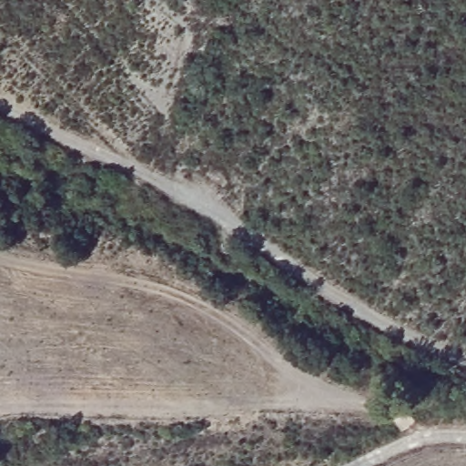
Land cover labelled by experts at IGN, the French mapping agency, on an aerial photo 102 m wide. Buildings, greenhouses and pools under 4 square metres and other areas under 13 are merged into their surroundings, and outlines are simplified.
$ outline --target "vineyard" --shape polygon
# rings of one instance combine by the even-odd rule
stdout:
[[[144,255],[138,248],[126,248],[120,238],[104,237],[98,238],[91,257],[69,268],[58,262],[40,258],[15,257],[9,249],[0,251],[0,420],[15,419],[22,415],[62,419],[82,413],[84,419],[91,420],[96,426],[137,426],[140,422],[173,424],[184,422],[187,417],[195,417],[208,420],[208,428],[213,433],[244,430],[248,424],[257,422],[260,410],[268,410],[268,419],[286,422],[293,419],[302,424],[308,417],[315,420],[326,419],[329,410],[366,411],[366,400],[362,399],[359,391],[329,380],[324,373],[315,377],[311,373],[295,368],[282,357],[277,348],[277,340],[266,335],[260,322],[255,324],[244,319],[240,315],[240,309],[233,302],[220,309],[215,308],[209,300],[202,299],[195,280],[180,279],[177,266],[171,264],[167,257]]]
[[[466,444],[422,444],[417,448],[391,455],[386,461],[377,462],[373,466],[466,466]]]

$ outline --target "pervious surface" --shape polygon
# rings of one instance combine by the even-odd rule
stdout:
[[[430,344],[413,342],[419,331],[411,329],[410,324],[395,320],[386,313],[379,313],[377,309],[370,308],[359,297],[351,295],[340,286],[335,286],[333,282],[322,282],[319,279],[319,269],[308,268],[302,275],[308,280],[304,289],[309,289],[313,299],[319,300],[319,308],[315,309],[317,313],[324,313],[328,309],[333,315],[346,317],[349,326],[366,329],[366,335],[377,333],[380,337],[390,340],[393,346],[413,349],[415,353],[420,353],[430,360],[441,360],[442,364],[451,368],[459,362],[466,366],[466,357],[462,357],[461,348],[455,349],[453,353],[450,346],[444,346],[442,340],[435,344],[435,348],[431,348]]]
[[[299,264],[300,258],[284,253],[273,242],[264,242],[262,249],[271,253],[275,260],[286,260],[291,266]]]
[[[339,466],[373,466],[377,462],[386,461],[391,455],[417,448],[422,444],[466,444],[466,424],[461,420],[455,420],[450,426],[420,426],[419,430],[408,437],[395,439]]]
[[[217,193],[215,187],[208,186],[200,175],[193,175],[191,180],[186,180],[182,173],[166,175],[155,169],[153,164],[138,162],[137,158],[131,155],[129,147],[122,142],[122,138],[113,133],[107,124],[96,127],[95,135],[89,138],[80,137],[75,131],[62,129],[60,118],[47,115],[44,109],[33,106],[33,102],[16,102],[16,96],[11,95],[9,91],[0,91],[0,120],[11,126],[22,127],[25,133],[36,138],[38,146],[35,151],[46,153],[47,146],[51,146],[62,151],[69,160],[78,160],[82,157],[86,162],[98,160],[106,164],[133,167],[135,184],[153,184],[178,204],[184,204],[187,208],[195,209],[200,215],[211,218],[218,228],[228,231],[229,235],[233,233],[233,229],[242,226],[242,218],[231,213],[231,209],[222,200],[222,195]]]

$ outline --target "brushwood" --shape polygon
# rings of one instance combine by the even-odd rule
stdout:
[[[169,442],[195,439],[195,431],[208,428],[208,420],[195,417],[187,417],[184,422],[173,424],[140,422],[137,426],[96,426],[91,420],[84,419],[82,413],[62,419],[22,415],[15,419],[0,420],[0,466],[120,466],[118,459],[106,461],[104,457],[96,455],[95,450],[98,448],[100,437],[118,437],[124,448],[131,448],[133,444],[144,442],[149,437],[162,437]]]
[[[442,340],[444,346],[450,346],[453,353],[455,349],[461,348],[462,357],[466,357],[466,0],[191,0],[195,4],[195,9],[191,11],[189,18],[186,18],[186,22],[191,25],[193,33],[191,53],[187,53],[184,66],[173,67],[169,73],[166,89],[175,89],[177,93],[173,106],[162,115],[158,113],[157,106],[151,104],[146,93],[140,91],[129,80],[129,76],[138,71],[140,78],[146,80],[147,75],[158,73],[162,69],[162,62],[166,60],[166,55],[155,55],[157,33],[147,31],[146,25],[140,24],[140,18],[147,16],[144,0],[0,0],[0,91],[9,91],[11,95],[16,96],[16,102],[33,102],[33,106],[44,109],[47,115],[60,118],[62,129],[75,131],[80,137],[89,138],[95,135],[96,127],[107,124],[113,133],[122,138],[122,142],[129,147],[131,155],[137,158],[138,162],[153,164],[155,169],[166,175],[182,173],[186,180],[191,180],[193,175],[200,175],[208,186],[215,187],[217,193],[222,195],[222,200],[231,209],[231,213],[242,218],[242,226],[233,229],[233,233],[229,235],[228,231],[218,228],[211,218],[200,215],[195,209],[187,208],[184,204],[178,204],[153,184],[135,184],[133,167],[106,164],[98,160],[86,162],[82,157],[78,160],[69,160],[62,151],[51,146],[47,146],[46,153],[35,151],[38,146],[36,138],[25,133],[22,127],[11,126],[0,120],[0,251],[9,249],[15,257],[40,258],[58,262],[69,268],[91,257],[98,238],[104,237],[120,238],[126,248],[138,248],[144,255],[167,257],[171,264],[177,266],[180,279],[195,280],[202,299],[209,300],[215,308],[220,309],[233,302],[240,309],[240,315],[244,319],[255,324],[260,322],[266,335],[277,340],[277,348],[282,357],[295,368],[311,373],[315,377],[324,373],[329,380],[359,391],[362,399],[366,400],[366,411],[329,410],[326,419],[315,420],[308,417],[302,424],[293,419],[286,422],[284,439],[293,442],[293,446],[299,446],[302,459],[311,459],[309,466],[339,466],[395,439],[408,437],[419,430],[420,426],[450,426],[455,420],[461,420],[466,424],[466,366],[459,362],[451,368],[442,364],[441,360],[430,360],[420,353],[415,353],[413,349],[393,346],[390,340],[380,337],[377,333],[366,335],[366,329],[349,326],[346,317],[333,315],[328,309],[324,313],[317,313],[315,309],[319,308],[319,300],[313,299],[309,289],[304,289],[308,280],[302,275],[308,268],[319,269],[319,279],[322,282],[333,282],[335,286],[340,286],[351,295],[359,297],[370,308],[377,309],[379,313],[386,313],[395,320],[410,324],[411,329],[419,331],[413,342],[430,344],[431,348],[435,348],[435,344]],[[284,253],[300,258],[299,264],[291,266],[286,260],[275,260],[271,253],[262,249],[264,242],[273,242]]]

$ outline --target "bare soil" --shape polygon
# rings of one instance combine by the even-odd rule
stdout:
[[[129,80],[140,91],[146,93],[151,104],[157,106],[158,113],[162,115],[173,106],[177,93],[175,89],[166,89],[169,73],[173,67],[184,66],[187,53],[191,53],[193,33],[191,25],[186,22],[186,18],[189,18],[191,11],[195,9],[195,4],[191,0],[144,0],[147,16],[140,18],[140,24],[146,25],[147,31],[157,33],[155,55],[166,55],[166,60],[162,62],[162,69],[158,73],[147,75],[146,80],[140,78],[138,71],[129,76]]]

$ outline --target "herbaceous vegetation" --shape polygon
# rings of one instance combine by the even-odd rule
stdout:
[[[96,455],[104,457],[106,461],[118,459],[120,466],[309,466],[311,459],[302,459],[299,446],[293,446],[293,442],[284,439],[286,422],[268,419],[268,410],[260,410],[257,422],[248,424],[244,430],[213,433],[208,428],[195,431],[195,439],[169,442],[162,437],[149,437],[144,442],[133,444],[131,448],[124,448],[118,437],[100,437],[98,448],[95,450]]]

